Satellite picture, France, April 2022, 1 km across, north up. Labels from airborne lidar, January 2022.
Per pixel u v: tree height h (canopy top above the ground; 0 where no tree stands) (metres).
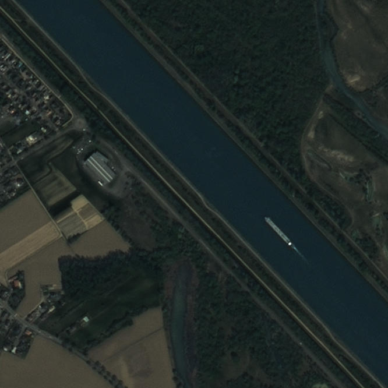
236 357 18
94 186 0
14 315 0
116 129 0
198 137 0
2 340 0
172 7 8
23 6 0
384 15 0
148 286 0
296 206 0
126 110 0
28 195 0
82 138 0
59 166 0
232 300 18
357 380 0
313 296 0
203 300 17
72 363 0
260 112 7
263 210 0
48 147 0
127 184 8
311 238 0
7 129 0
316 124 0
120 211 10
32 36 0
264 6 11
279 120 7
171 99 0
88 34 0
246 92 19
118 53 0
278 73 11
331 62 0
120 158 0
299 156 14
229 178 0
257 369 0
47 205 0
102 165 0
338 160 0
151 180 8
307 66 17
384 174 0
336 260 0
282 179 22
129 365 0
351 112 18
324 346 0
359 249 0
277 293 0
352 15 0
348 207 0
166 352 0
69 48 0
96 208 0
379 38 0
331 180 0
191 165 0
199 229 8
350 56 0
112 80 0
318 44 21
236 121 0
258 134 20
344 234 0
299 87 11
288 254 0
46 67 9
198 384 5
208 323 19
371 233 0
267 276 14
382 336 0
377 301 0
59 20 0
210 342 11
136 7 12
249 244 0
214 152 0
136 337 0
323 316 0
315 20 15
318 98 15
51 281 0
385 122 0
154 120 0
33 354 0
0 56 0
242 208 0
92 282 35
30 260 0
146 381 0
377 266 0
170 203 0
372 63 0
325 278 0
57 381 0
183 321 0
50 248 0
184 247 7
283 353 15
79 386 0
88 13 0
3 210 0
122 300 0
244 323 18
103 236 0
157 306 0
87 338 0
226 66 12
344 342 0
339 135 0
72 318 0
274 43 11
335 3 0
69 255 0
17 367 0
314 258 0
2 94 11
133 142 0
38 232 0
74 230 0
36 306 0
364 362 0
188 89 0
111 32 0
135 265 33
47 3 0
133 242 8
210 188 0
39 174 0
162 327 0
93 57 0
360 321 0
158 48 14
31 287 0
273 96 8
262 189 0
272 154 11
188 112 0
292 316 0
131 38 0
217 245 18
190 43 11
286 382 20
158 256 6
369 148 0
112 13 0
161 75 0
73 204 0
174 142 0
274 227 0
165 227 9
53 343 0
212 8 13
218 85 9
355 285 0
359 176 6
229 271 0
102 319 0
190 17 11
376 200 0
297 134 21
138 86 0
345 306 0
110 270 34
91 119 9
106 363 0
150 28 15
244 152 0
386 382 0
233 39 17
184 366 0
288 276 0
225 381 0
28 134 0
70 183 0
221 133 0
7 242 0
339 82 0
